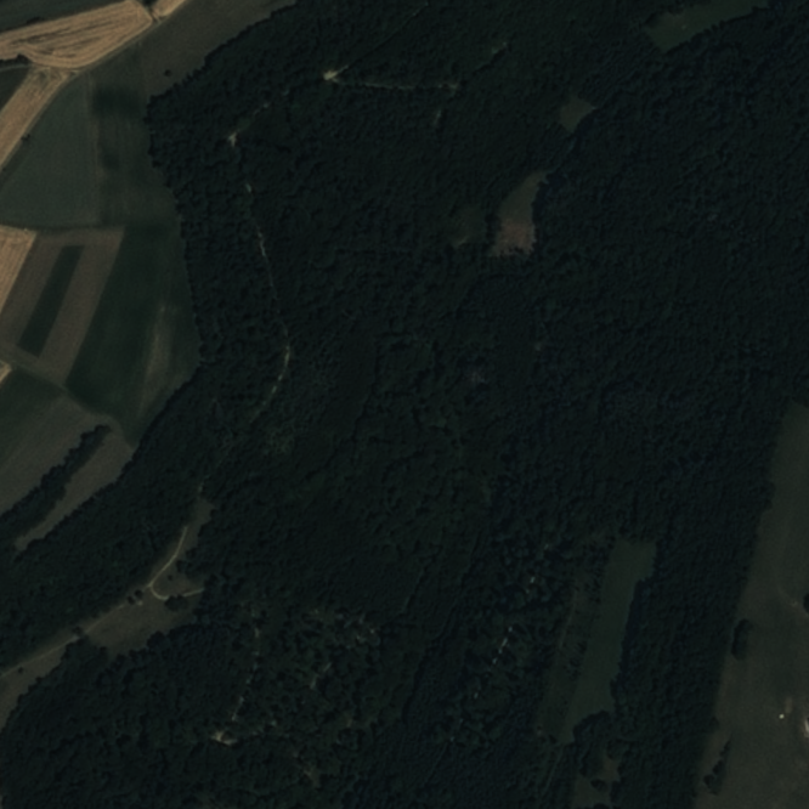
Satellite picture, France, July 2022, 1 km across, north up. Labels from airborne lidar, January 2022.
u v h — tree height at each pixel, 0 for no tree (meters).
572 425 29
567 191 32
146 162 0
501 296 20
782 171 25
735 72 16
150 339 0
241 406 25
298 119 17
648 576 0
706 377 22
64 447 0
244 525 22
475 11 20
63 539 21
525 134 23
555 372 17
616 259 20
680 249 21
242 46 20
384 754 16
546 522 31
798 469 0
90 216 0
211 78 16
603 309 22
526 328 16
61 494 15
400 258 26
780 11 30
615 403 32
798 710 0
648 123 26
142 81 0
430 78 24
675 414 34
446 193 25
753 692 0
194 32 0
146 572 20
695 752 18
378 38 8
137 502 24
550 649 11
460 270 29
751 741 0
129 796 29
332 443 9
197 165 30
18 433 0
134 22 0
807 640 0
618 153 23
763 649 0
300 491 16
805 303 19
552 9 18
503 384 18
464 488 27
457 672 12
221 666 18
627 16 23
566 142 17
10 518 17
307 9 17
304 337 14
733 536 19
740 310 24
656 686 21
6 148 0
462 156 22
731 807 0
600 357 18
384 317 12
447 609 17
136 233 0
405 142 21
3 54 0
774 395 22
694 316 24
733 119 31
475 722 27
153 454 22
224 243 26
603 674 0
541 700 16
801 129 22
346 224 17
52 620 23
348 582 18
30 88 0
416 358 31
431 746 15
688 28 0
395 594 17
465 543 27
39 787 13
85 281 0
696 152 31
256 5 0
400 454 34
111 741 30
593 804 0
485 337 30
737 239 27
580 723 0
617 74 20
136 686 28
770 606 0
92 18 0
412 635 30
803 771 0
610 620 0
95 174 0
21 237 0
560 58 26
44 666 0
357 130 17
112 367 0
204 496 10
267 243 9
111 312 0
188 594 0
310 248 24
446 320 23
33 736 22
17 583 17
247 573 32
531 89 26
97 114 0
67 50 0
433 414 33
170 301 0
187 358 0
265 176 24
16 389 0
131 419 0
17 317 0
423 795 29
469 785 15
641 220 19
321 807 10
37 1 0
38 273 0
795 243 26
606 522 15
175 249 0
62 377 0
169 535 22
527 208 0
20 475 0
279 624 0
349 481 21
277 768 23
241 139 29
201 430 32
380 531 28
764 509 12
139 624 0
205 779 31
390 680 31
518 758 24
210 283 27
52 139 0
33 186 0
